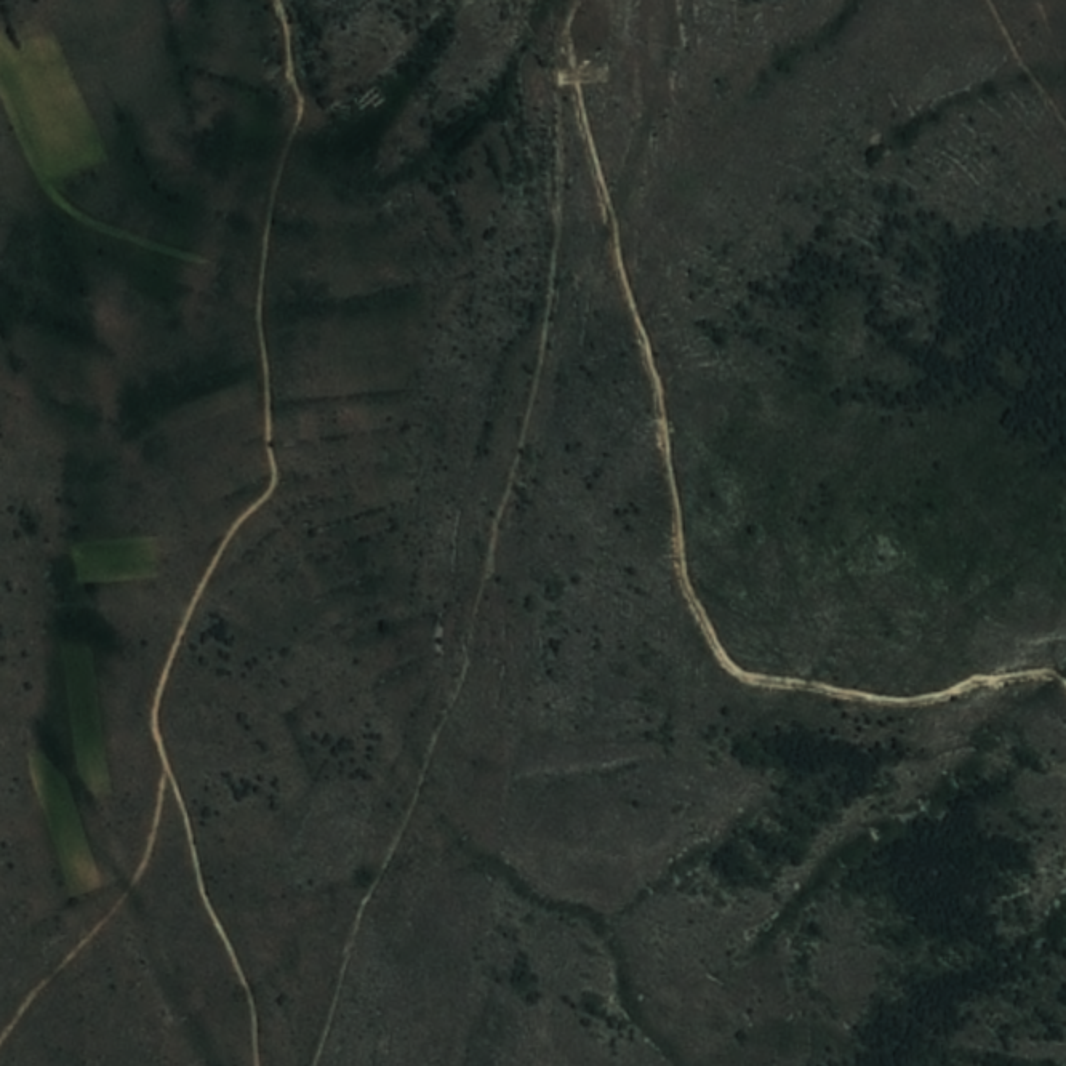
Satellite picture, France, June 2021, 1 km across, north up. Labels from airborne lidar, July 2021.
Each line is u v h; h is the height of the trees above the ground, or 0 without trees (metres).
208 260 0
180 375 0
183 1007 0
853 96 0
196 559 0
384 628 10
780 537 0
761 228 0
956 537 0
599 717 0
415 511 0
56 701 0
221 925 0
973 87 0
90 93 0
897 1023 7
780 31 0
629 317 0
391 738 0
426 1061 0
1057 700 0
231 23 0
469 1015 0
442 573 0
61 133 0
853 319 0
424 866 0
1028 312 14
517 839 0
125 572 0
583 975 0
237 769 0
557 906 0
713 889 0
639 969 0
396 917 0
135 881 0
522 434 0
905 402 6
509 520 0
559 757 0
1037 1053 0
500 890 0
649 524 0
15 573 0
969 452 0
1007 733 0
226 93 0
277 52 0
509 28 0
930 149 0
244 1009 0
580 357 0
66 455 0
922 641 0
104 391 0
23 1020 0
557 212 0
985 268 11
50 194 0
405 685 0
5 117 0
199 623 0
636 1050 0
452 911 0
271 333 0
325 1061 0
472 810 0
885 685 0
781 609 0
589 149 0
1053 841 0
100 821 0
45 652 0
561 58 0
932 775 0
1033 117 0
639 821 0
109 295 0
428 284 0
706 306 0
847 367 0
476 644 0
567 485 0
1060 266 6
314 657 0
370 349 0
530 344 0
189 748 0
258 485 0
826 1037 0
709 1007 0
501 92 8
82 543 0
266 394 0
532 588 0
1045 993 0
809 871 0
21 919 0
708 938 0
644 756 0
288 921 0
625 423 0
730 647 0
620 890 0
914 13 0
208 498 0
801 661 0
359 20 0
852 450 0
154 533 0
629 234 0
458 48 0
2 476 0
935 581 0
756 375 0
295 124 0
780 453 0
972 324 9
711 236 0
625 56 0
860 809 0
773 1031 0
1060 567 0
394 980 0
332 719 0
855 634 0
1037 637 0
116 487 0
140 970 0
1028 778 0
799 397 0
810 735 8
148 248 0
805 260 12
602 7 0
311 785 0
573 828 0
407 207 0
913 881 6
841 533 0
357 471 0
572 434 0
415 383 0
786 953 0
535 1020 0
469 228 0
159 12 0
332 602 0
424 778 0
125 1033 0
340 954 0
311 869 0
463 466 0
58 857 0
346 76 0
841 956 0
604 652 0
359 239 0
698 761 0
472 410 0
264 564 0
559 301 0
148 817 0
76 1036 0
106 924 0
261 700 0
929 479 0
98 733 0
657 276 0
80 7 0
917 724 0
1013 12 0
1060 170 0
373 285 0
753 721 0
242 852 0
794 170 0
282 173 0
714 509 0
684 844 0
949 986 8
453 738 0
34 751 0
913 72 0
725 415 0
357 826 0
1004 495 0
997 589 0
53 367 0
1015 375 0
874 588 0
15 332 0
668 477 0
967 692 0
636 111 0
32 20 0
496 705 0
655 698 0
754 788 0
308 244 0
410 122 0
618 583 0
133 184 0
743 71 0
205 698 0
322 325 0
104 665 0
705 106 0
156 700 0
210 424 0
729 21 0
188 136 0
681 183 0
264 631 0
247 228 0
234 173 0
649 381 0
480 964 0
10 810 0
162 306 0
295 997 0
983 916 7
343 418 0
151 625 0
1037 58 0
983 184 0
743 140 0
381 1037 0
